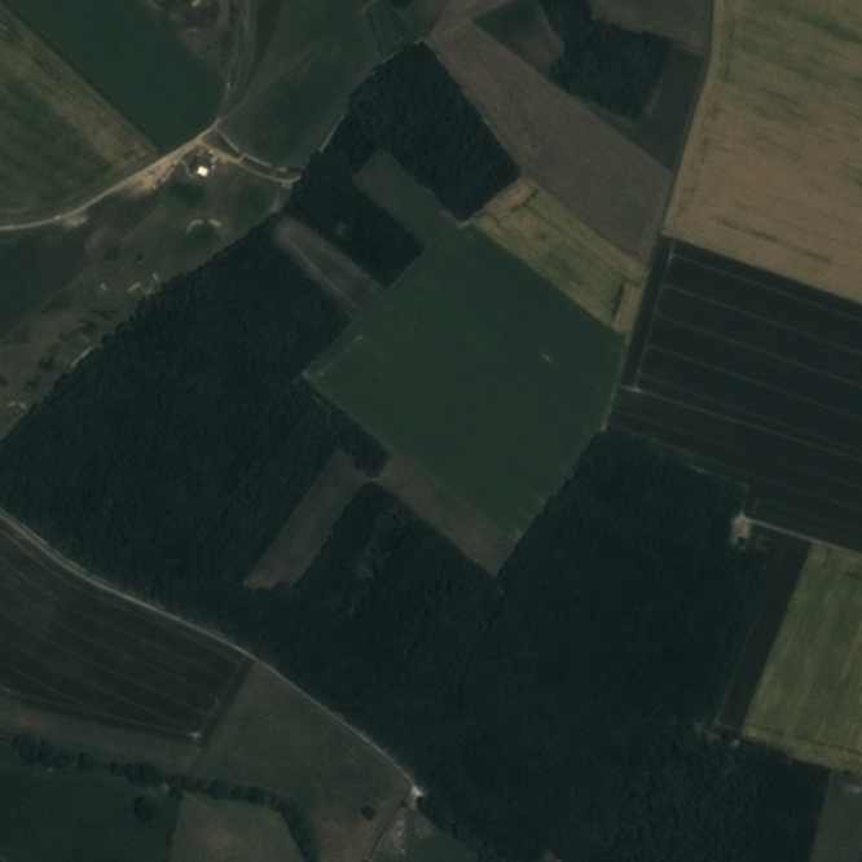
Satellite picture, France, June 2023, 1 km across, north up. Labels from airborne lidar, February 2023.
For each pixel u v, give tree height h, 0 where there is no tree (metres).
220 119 0
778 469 0
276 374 21
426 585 19
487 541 0
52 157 0
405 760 16
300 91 0
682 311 0
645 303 0
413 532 15
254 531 17
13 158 0
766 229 0
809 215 0
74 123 0
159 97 0
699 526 21
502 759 23
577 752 18
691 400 0
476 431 0
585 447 0
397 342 0
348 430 14
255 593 14
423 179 10
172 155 0
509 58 0
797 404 0
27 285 0
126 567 20
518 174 15
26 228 0
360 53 0
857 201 0
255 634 21
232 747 0
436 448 0
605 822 21
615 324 0
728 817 20
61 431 19
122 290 0
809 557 0
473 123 16
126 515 24
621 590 17
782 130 0
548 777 24
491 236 0
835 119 0
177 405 22
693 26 0
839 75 0
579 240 0
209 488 18
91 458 19
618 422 0
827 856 0
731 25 0
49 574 0
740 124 0
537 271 0
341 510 0
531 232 0
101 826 0
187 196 0
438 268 0
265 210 0
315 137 0
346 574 17
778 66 0
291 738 0
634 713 20
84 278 0
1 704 0
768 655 0
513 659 20
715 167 0
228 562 18
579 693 20
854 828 0
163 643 0
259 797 23
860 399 0
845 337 0
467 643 18
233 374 21
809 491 0
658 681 20
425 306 0
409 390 0
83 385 16
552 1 18
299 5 0
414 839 0
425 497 0
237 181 0
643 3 0
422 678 20
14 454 20
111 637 0
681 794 19
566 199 0
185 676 0
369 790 0
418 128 7
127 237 0
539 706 21
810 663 0
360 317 0
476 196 14
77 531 17
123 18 0
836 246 0
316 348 17
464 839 18
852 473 0
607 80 19
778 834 17
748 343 0
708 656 19
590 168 0
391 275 9
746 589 14
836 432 0
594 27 12
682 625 22
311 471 18
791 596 0
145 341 12
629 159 0
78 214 0
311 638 21
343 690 21
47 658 0
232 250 11
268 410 16
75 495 21
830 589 0
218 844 0
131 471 22
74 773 0
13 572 0
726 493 12
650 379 0
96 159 0
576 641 17
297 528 0
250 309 20
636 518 20
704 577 19
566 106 0
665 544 21
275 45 0
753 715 0
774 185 0
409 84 21
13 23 0
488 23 0
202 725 0
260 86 0
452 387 0
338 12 0
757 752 15
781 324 0
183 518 20
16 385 0
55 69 0
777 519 0
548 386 0
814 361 0
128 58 0
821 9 0
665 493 18
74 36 0
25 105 0
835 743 0
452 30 0
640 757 22
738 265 0
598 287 0
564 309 0
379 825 0
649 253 0
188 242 0
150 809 26
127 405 21
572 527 13
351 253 9
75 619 0
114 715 0
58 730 0
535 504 0
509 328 0
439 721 18
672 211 0
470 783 22
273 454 9
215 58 0
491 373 0
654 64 17
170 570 15
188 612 20
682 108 0
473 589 19
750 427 0
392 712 18
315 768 0
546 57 0
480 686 16
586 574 17
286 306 20
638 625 18
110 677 0
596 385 0
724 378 0
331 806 0
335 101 0
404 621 18
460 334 0
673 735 17
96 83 0
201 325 21
